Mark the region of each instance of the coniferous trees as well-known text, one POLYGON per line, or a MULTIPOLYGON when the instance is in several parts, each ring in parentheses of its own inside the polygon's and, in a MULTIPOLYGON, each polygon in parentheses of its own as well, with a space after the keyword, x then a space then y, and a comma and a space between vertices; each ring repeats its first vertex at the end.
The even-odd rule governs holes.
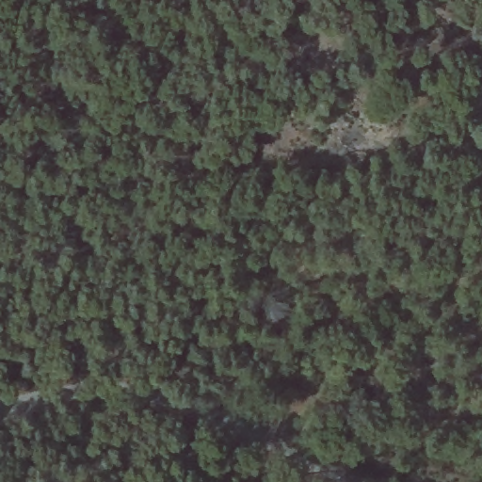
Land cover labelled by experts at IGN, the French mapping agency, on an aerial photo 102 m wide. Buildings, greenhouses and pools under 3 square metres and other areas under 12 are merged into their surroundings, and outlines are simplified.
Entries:
POLYGON ((482 482, 482 0, 0 0, 0 482, 482 482))

